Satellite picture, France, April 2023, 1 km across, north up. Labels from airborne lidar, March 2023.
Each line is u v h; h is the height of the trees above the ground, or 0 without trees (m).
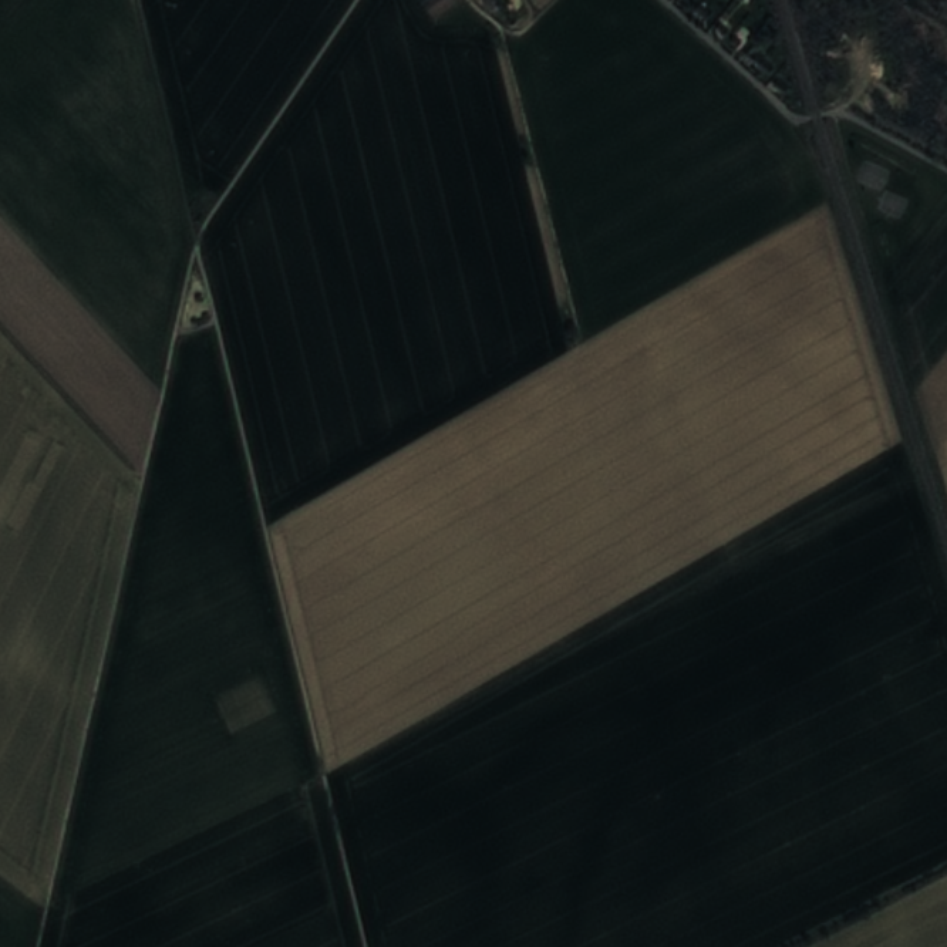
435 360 0
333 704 0
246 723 0
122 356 0
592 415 0
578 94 0
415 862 0
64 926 0
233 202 0
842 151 0
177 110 0
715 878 0
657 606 0
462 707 0
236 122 0
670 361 0
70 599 0
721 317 0
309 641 0
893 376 0
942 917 0
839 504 0
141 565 0
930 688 0
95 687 0
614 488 0
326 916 0
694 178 0
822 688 0
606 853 0
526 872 0
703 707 0
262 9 0
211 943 0
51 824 0
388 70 0
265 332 0
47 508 0
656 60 0
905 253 0
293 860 0
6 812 0
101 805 0
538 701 0
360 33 0
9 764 0
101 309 0
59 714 0
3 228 0
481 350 0
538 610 0
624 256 0
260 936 0
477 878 0
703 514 0
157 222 0
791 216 0
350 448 0
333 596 0
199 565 0
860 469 0
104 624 0
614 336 0
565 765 0
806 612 0
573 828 0
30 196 0
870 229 0
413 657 0
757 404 0
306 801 0
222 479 0
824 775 0
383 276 0
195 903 0
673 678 0
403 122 0
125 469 0
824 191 0
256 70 0
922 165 0
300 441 0
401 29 0
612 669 0
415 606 0
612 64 0
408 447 0
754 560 0
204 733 0
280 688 0
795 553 0
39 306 0
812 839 0
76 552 0
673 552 0
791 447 0
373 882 0
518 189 0
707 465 0
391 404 0
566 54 0
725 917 0
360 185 0
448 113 0
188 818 0
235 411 0
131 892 0
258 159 0
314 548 0
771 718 0
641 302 0
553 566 0
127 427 0
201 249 0
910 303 0
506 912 0
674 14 0
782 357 0
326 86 0
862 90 0
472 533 0
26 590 0
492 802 0
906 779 0
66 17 0
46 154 0
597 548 0
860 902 0
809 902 0
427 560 0
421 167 0
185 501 0
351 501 0
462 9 0
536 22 0
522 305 0
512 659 0
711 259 0
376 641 0
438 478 0
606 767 0
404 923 0
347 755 0
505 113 0
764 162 0
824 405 0
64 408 0
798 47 0
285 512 0
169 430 0
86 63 0
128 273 0
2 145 0
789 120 0
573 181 0
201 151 0
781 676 0
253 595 0
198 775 0
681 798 0
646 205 0
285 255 0
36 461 0
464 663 0
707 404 0
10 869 0
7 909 0
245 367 0
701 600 0
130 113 0
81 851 0
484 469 0
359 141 0
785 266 0
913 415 0
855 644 0
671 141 0
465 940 0
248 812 0
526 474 0
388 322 0
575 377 0
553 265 0
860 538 0
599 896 0
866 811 0
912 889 6
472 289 0
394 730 0
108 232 0
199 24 0
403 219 0
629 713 0
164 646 0
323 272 0
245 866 0
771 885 0
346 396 0
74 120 0
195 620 0
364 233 0
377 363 0
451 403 0
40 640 0
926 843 0
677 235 0
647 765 0
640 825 0
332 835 0
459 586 0
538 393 0
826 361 0
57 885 0
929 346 0
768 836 0
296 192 0
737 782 0
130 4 0
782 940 0
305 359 0
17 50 0
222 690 0
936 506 0
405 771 0
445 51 0
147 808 0
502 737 0
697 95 0
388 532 0
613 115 0
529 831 0
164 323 0
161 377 0
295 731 0
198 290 0
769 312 0
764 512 0
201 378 0
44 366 0
